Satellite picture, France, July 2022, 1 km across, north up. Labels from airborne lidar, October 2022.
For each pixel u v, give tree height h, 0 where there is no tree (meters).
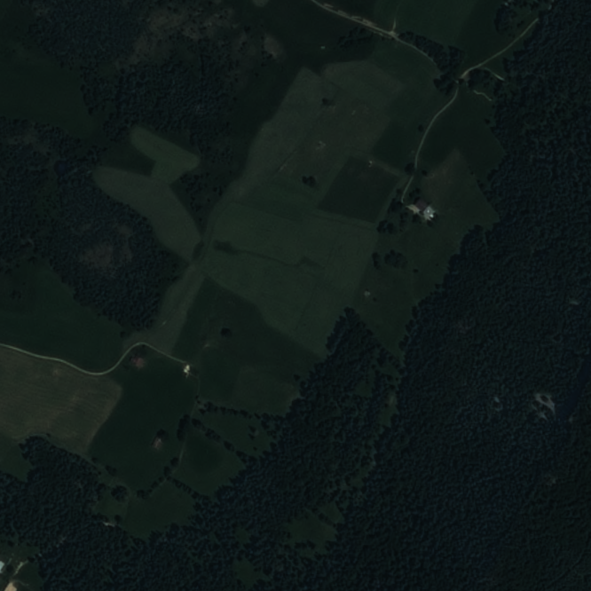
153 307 23
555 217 25
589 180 20
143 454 0
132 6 8
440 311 23
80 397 0
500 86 19
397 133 0
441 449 25
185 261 0
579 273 16
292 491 20
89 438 0
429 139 0
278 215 0
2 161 11
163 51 0
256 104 0
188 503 0
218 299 0
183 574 24
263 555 22
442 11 0
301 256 0
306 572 5
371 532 20
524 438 24
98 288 13
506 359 19
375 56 0
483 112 0
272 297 0
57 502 26
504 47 0
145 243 11
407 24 0
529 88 20
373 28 0
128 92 15
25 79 0
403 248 0
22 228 13
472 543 30
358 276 0
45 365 0
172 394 0
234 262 0
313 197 0
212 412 15
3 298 0
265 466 20
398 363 17
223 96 15
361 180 0
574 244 26
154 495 0
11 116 0
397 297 0
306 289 0
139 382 0
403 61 0
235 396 0
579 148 26
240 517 26
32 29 10
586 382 20
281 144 0
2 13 0
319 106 0
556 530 14
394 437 24
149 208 0
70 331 0
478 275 28
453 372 28
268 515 27
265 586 26
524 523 17
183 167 0
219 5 0
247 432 0
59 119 0
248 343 0
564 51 23
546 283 23
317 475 22
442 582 21
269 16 0
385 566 26
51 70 0
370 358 21
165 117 12
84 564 17
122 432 0
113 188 0
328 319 0
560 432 24
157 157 0
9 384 0
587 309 18
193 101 13
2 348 0
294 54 0
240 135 0
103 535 26
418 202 0
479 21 0
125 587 28
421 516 18
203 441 0
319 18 0
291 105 0
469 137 0
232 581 22
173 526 0
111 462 0
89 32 7
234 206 0
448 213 0
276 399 0
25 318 0
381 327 0
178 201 0
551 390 19
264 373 0
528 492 19
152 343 0
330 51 0
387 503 10
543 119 20
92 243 6
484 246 23
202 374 0
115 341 0
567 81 17
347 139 0
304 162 0
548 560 13
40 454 19
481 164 0
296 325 0
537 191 24
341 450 19
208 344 0
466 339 24
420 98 0
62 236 9
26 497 26
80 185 9
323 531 0
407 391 19
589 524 15
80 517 22
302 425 22
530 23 0
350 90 0
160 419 0
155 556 27
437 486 32
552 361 23
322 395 15
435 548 20
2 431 0
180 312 0
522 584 13
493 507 27
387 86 0
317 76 0
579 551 11
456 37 0
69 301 0
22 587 0
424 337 17
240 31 0
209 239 0
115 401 0
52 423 0
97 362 0
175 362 0
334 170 0
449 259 0
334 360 17
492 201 20
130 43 8
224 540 27
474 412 15
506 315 21
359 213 0
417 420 18
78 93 0
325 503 18
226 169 0
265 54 6
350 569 27
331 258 0
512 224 25
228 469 0
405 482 30
